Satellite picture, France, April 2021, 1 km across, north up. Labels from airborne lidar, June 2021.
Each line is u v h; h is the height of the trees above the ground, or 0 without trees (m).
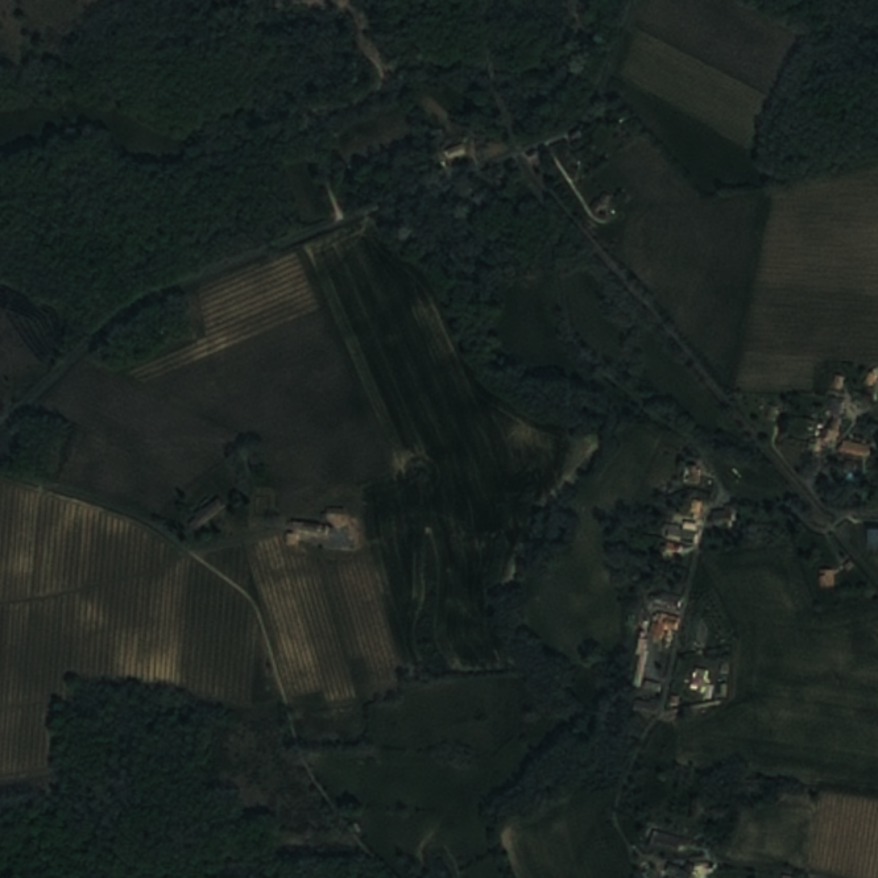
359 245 0
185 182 25
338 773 0
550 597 0
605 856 0
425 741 0
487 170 6
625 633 0
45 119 0
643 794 10
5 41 0
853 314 0
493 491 0
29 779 0
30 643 0
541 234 21
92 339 12
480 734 0
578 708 17
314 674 0
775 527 8
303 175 0
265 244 21
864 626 0
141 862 23
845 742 0
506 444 0
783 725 0
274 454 0
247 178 18
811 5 23
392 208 14
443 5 19
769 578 0
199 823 19
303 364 0
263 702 0
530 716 17
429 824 0
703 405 0
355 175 16
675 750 0
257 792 0
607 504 0
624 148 10
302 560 0
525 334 0
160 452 0
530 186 0
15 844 30
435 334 0
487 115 25
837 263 0
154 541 0
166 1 17
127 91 18
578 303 0
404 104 18
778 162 20
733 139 0
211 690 0
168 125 19
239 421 0
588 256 21
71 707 13
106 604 0
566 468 0
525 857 0
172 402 0
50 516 0
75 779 18
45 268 20
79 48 17
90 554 0
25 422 16
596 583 0
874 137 22
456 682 11
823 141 22
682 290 0
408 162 23
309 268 0
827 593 0
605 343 0
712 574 0
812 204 0
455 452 0
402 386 0
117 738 19
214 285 0
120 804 22
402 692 9
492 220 21
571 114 16
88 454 0
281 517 10
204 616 0
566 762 24
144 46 16
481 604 0
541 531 16
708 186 0
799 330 0
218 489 0
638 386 11
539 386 23
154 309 26
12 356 0
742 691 0
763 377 0
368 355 0
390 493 0
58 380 0
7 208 18
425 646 7
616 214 0
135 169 23
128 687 19
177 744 22
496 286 24
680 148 0
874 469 10
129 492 0
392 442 0
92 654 0
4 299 7
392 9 14
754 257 0
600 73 14
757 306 0
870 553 0
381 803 0
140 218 25
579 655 0
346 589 0
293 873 22
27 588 0
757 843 0
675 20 0
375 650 0
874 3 20
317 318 0
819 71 8
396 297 0
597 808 0
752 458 18
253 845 23
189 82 22
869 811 0
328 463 0
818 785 0
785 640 0
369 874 16
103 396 0
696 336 0
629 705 15
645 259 0
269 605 0
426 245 26
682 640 6
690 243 0
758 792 14
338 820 16
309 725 0
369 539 0
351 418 0
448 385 0
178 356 0
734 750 0
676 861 6
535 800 22
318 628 0
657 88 0
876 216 0
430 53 24
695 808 11
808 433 0
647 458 0
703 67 0
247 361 0
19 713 0
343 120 20
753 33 0
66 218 17
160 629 0
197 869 23
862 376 7
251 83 16
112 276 23
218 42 17
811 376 0
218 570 0
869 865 0
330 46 22
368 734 6
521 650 21
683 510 7
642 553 8
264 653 0
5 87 23
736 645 0
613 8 21
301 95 19
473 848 0
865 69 23
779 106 16
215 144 20
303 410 0
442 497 0
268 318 0
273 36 15
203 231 23
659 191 0
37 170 27
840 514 18
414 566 0
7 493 0
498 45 18
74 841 22
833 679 0
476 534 0
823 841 0
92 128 20
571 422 22
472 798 0
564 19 20
